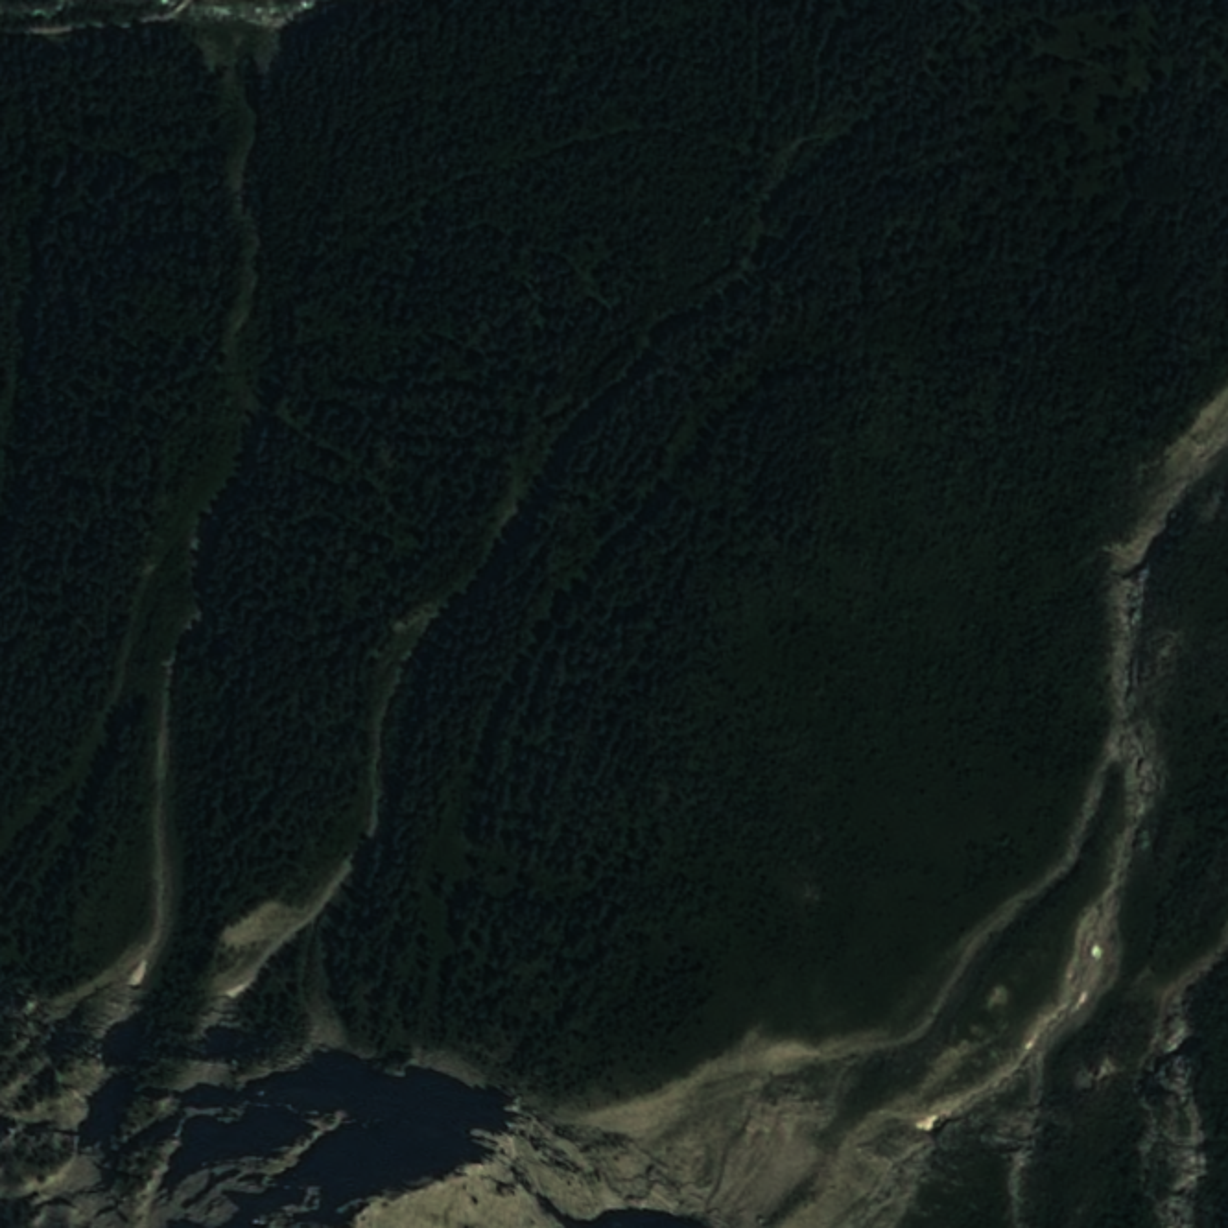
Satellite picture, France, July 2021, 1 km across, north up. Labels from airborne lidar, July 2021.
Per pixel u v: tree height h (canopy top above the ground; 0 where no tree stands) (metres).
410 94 9
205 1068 0
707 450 14
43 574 30
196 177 11
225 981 0
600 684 32
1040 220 17
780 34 13
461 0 12
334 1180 0
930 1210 0
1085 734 7
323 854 6
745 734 6
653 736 14
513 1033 9
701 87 12
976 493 6
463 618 24
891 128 26
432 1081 0
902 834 0
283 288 11
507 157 7
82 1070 0
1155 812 0
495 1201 0
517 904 8
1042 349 23
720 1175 0
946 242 18
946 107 23
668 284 15
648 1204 0
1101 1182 5
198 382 20
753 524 11
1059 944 0
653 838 8
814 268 30
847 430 11
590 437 22
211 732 7
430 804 31
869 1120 0
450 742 23
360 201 9
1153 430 14
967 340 20
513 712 29
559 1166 0
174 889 0
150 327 8
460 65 17
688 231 13
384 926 24
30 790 15
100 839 22
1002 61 9
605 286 23
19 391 9
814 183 22
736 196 21
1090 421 9
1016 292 18
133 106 18
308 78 24
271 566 29
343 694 30
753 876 6
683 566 12
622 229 11
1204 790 5
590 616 30
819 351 6
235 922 7
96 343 30
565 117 23
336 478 9
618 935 21
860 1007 0
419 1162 0
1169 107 26
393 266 16
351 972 23
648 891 11
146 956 0
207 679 8
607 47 16
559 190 20
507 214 11
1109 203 13
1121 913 0
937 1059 0
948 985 0
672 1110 0
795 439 27
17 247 11
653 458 23
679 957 6
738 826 7
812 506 23
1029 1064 0
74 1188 0
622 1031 8
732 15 24
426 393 28
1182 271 11
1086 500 6
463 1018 15
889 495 10
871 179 27
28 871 6
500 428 12
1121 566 0
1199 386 8
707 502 14
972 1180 0
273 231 12
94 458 29
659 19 9
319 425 26
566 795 27
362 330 9
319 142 19
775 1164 0
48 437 30
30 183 15
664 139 12
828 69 9
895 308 11
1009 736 11
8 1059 9
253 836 15
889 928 0
